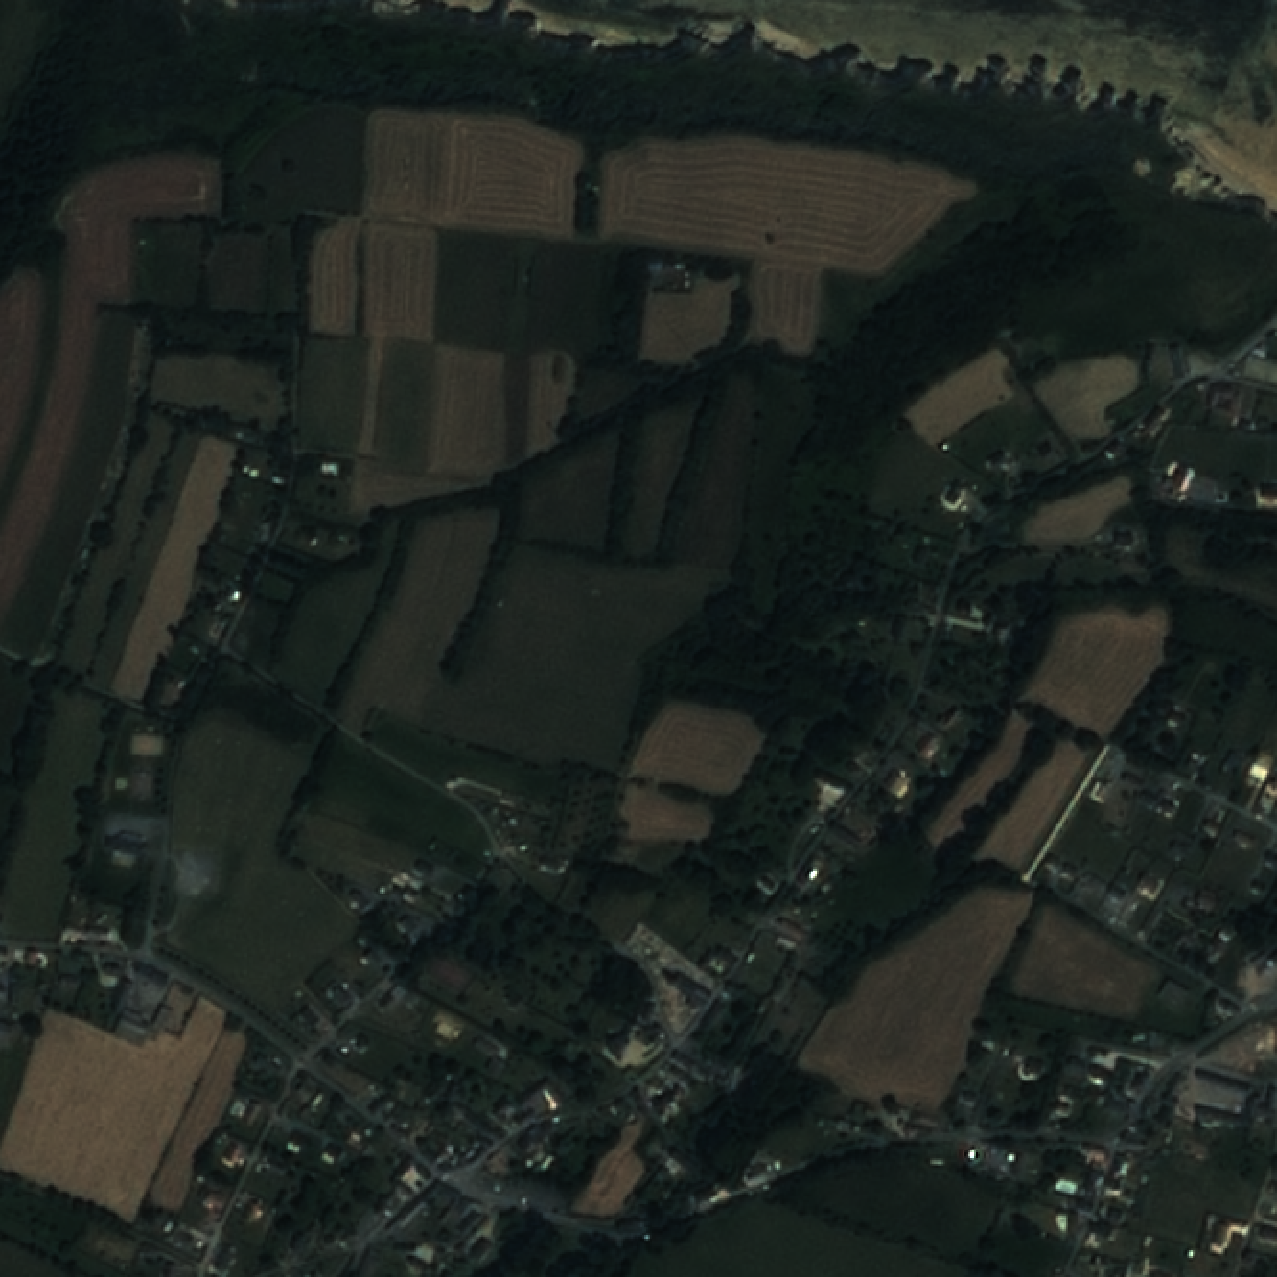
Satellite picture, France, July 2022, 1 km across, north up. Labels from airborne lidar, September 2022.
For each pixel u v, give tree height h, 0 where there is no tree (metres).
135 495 0
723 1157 16
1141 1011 0
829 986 7
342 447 0
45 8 0
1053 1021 0
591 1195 0
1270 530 9
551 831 8
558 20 0
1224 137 0
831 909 0
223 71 0
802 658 9
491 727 0
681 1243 14
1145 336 0
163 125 0
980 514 0
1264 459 0
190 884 0
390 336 0
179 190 0
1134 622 0
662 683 5
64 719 0
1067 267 11
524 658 0
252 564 11
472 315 0
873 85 0
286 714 0
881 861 0
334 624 0
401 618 0
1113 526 0
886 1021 0
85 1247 0
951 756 8
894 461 0
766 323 0
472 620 8
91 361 0
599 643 0
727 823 8
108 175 0
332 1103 10
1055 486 12
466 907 14
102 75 0
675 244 0
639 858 0
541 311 0
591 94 6
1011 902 0
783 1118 9
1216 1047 0
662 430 0
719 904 13
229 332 6
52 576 0
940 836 0
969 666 11
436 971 0
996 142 0
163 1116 0
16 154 11
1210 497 0
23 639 0
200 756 0
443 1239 5
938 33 0
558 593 0
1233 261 0
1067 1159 7
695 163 0
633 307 6
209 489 0
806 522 0
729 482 0
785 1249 0
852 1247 0
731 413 0
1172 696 8
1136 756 12
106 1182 0
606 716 0
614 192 0
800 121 0
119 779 0
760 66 0
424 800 0
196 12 0
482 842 0
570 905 0
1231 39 0
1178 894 0
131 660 0
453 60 0
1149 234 0
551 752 0
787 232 0
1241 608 8
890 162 0
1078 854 0
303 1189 10
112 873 0
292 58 0
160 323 6
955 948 0
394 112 0
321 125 0
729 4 0
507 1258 6
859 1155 10
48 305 0
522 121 0
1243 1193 0
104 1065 0
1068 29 0
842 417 18
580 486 0
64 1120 0
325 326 0
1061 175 0
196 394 0
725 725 0
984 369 0
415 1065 9
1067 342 0
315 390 0
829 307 0
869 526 9
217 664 12
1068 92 0
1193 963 8
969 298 15
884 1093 0
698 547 0
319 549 0
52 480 0
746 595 14
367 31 0
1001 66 0
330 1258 0
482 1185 0
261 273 0
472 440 0
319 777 7
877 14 0
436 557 0
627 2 0
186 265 0
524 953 12
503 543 8
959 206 0
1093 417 0
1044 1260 0
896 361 23
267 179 0
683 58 0
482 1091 9
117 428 0
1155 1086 0
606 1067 7
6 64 0
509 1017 0
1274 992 0
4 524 0
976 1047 9
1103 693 0
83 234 0
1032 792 0
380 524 12
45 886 0
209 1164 14
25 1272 0
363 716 0
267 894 0
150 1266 6
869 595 12
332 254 0
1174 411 0
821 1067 0
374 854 0
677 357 0
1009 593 10
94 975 8
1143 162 0
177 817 0
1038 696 0
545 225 0
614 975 16
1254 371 0
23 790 10
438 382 0
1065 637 0
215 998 0
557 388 0
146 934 0
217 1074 0
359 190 0
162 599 0
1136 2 0
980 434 0
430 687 0
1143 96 0
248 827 0
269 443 7
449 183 0
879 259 0
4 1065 0
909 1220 0
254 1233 0
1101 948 0
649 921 0
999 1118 13
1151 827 0
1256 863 0
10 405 0
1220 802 0
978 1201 0
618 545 11
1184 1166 0
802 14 0
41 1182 0
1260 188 0
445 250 0
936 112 0
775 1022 0
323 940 0
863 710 20
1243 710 0
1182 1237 0
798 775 18
